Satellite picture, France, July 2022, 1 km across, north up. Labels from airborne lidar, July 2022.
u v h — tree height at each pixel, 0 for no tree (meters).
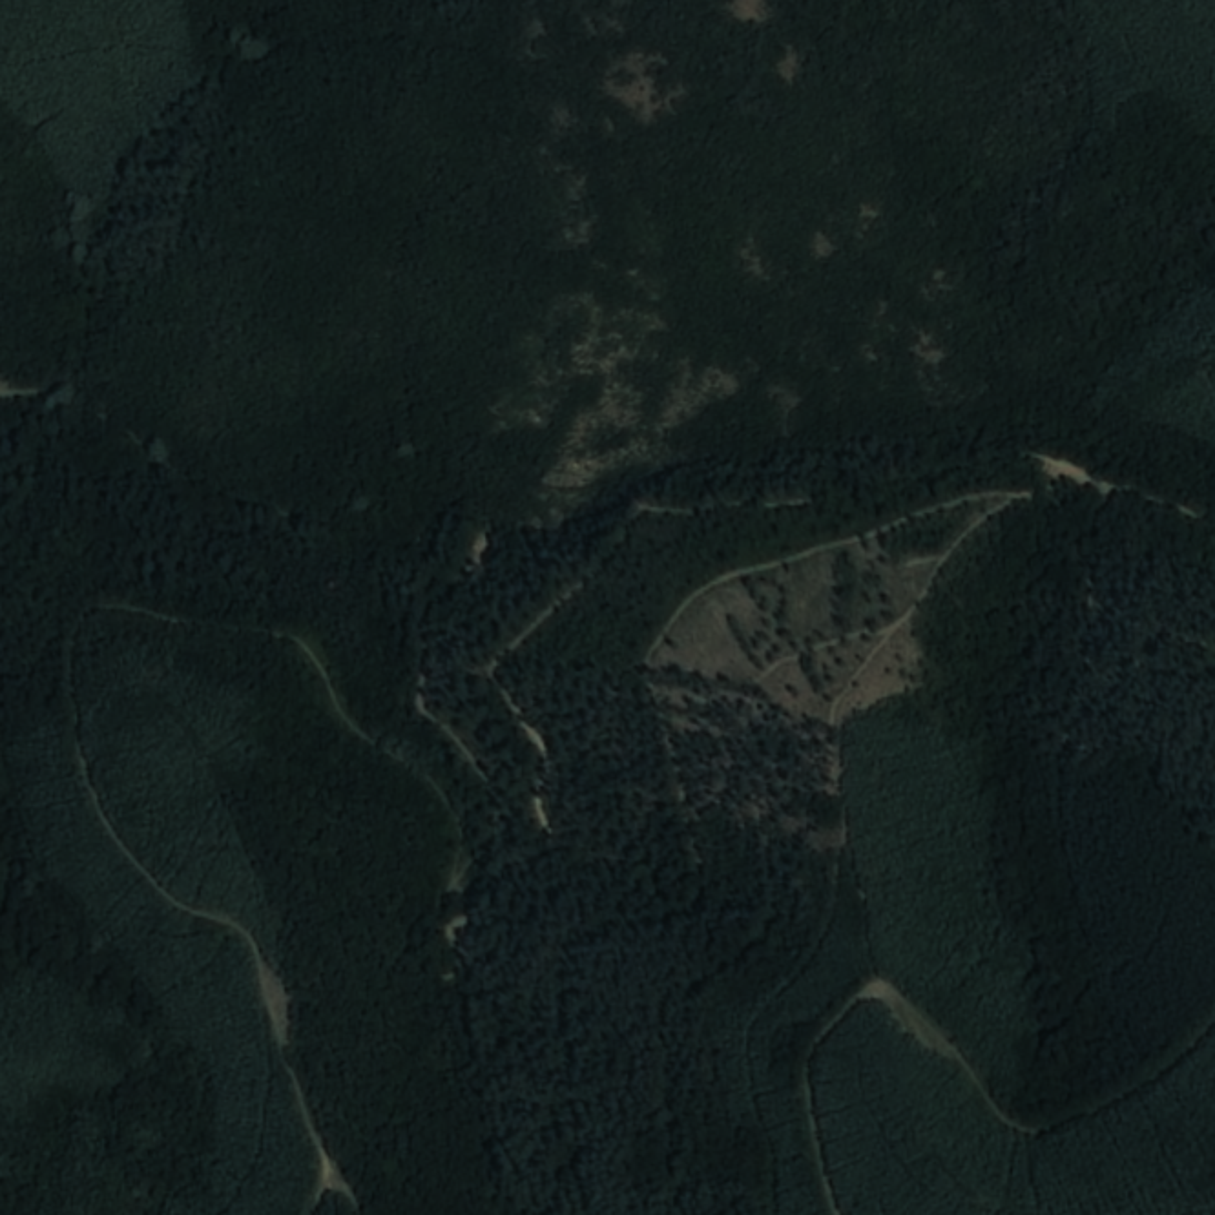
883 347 7
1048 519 20
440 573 7
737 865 12
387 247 12
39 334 19
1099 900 18
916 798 13
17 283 11
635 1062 21
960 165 17
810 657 8
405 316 8
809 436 15
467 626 17
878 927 12
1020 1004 17
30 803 13
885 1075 11
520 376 8
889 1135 11
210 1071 13
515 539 21
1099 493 20
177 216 22
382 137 11
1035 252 20
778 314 10
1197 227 24
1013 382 14
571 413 8
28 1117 18
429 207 12
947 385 7
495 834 14
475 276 13
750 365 6
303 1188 13
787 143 8
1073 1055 29
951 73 10
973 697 18
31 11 11
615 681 27
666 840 21
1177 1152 13
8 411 21
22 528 14
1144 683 32
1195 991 17
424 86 8
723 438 15
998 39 6
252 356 9
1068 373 13
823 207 7
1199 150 16
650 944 27
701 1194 25
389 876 23
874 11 12
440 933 18
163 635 13
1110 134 13
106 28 11
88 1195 10
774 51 10
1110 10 9
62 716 13
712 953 25
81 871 9
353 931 22
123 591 14
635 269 9
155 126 21
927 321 13
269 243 12
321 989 14
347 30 15
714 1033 11
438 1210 22
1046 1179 16
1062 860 10
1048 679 29
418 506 19
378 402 8
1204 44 13
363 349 11
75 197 38
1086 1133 15
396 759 15
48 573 14
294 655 16
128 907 12
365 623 14
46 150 16
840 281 13
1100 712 25
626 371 8
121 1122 11
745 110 21
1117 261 16
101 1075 18
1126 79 11
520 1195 35
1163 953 19
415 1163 27
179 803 8
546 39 6
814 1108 10
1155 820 17
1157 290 22
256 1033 9
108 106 13
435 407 18
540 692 9
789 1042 10
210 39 20
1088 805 16
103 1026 14
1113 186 15
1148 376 10
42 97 11
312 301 14
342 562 26
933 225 20
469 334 13
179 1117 13
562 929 23
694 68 8
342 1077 10
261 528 26
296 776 19
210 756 8
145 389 16
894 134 14
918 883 14
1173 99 13
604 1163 30
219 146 15
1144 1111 12
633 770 20
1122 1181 12
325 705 8
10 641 18
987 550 13
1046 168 12
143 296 11
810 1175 8
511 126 12
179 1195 15
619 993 25
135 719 9
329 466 17
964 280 13
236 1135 15
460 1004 16
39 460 14
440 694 11
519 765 7
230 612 7
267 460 17
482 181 8
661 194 12
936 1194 11
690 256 10
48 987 16
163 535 31
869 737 13
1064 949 17
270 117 12
